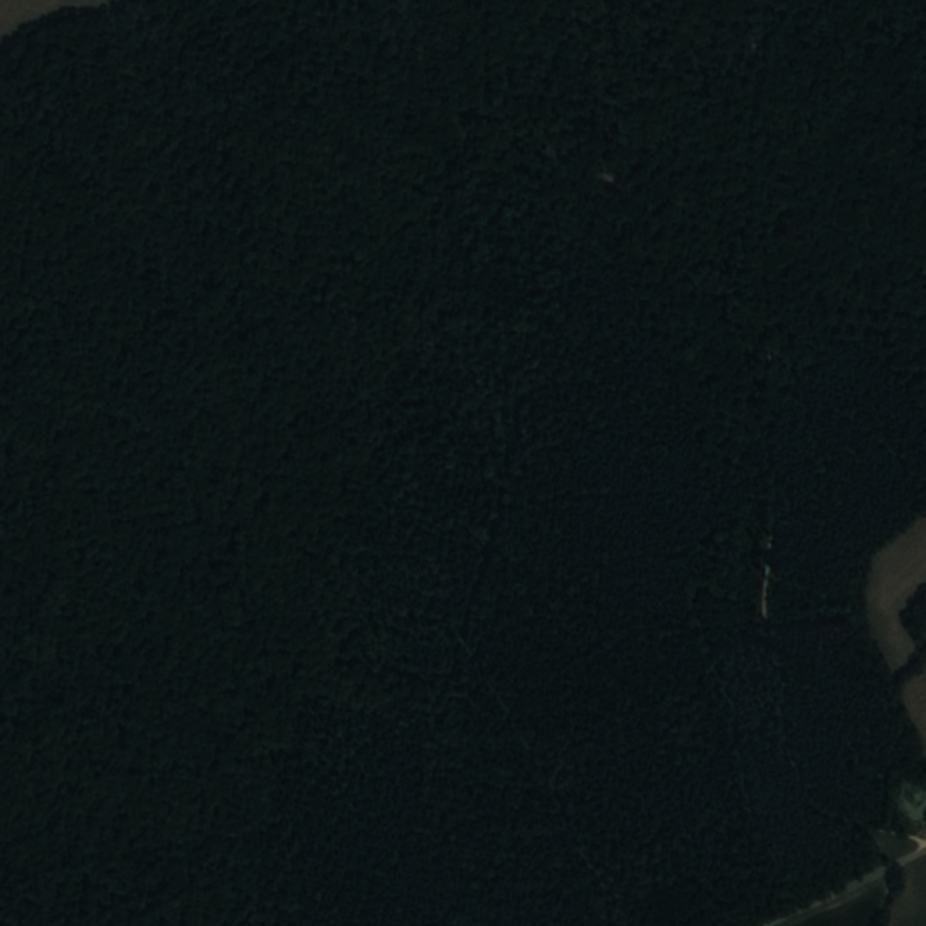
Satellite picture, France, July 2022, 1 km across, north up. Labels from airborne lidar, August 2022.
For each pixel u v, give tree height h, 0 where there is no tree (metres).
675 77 25
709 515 22
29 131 28
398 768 14
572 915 12
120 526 22
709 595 10
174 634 21
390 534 21
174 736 19
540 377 20
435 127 24
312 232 16
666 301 25
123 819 24
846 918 0
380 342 18
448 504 10
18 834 21
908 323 21
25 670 19
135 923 23
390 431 7
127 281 20
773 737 29
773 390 24
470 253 20
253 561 19
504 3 24
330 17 23
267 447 20
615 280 23
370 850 19
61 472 25
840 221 18
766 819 20
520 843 14
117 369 19
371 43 23
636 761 21
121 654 27
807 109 18
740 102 18
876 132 15
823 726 24
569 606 16
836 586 21
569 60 23
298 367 16
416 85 23
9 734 21
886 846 0
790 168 18
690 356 23
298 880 18
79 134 19
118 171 21
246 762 21
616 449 24
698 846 19
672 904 12
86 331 20
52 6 0
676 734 22
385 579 14
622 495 25
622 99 22
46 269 22
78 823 17
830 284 23
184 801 20
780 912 18
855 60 16
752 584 7
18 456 20
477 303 12
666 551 16
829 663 24
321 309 24
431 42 19
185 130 21
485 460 19
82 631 23
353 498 22
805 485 23
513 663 20
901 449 25
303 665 20
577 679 17
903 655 0
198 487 22
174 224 22
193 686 18
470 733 17
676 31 22
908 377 20
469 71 29
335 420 20
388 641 8
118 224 19
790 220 21
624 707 15
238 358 19
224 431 20
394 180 18
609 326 23
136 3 25
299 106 21
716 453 23
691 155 20
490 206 15
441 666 20
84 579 22
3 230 18
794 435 26
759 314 22
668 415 20
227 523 16
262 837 16
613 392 21
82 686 18
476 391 21
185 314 20
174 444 18
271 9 23
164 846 14
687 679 22
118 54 22
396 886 19
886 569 0
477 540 11
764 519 30
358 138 15
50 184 18
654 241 23
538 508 21
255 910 18
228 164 23
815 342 19
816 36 25
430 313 19
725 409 17
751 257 24
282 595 18
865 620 17
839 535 24
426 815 18
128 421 20
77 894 20
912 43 22
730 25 22
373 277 14
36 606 20
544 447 19
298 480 22
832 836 25
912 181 24
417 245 24
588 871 17
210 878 21
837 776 25
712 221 22
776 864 21
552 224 19
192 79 24
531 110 22
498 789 23
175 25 22
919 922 0
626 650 16
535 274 21
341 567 21
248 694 23
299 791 16
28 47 23
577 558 22
